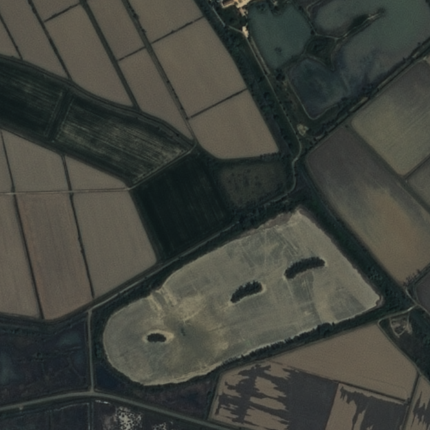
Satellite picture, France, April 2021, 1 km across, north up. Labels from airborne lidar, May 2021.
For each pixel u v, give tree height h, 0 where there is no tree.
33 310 0
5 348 0
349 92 0
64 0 0
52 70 0
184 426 0
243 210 9
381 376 0
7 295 0
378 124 0
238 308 0
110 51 0
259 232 0
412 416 0
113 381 0
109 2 0
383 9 0
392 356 0
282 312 0
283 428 0
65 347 0
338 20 0
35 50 0
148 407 0
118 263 0
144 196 0
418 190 0
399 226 0
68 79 0
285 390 0
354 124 0
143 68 0
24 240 0
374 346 0
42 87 0
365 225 0
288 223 0
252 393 0
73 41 0
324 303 0
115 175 0
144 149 0
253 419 0
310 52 0
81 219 0
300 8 10
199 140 0
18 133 0
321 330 14
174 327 0
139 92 0
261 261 0
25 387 0
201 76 0
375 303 0
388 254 0
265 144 0
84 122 0
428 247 0
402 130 0
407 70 0
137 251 0
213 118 0
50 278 0
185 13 0
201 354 0
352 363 0
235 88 0
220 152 0
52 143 0
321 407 0
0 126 0
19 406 0
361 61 0
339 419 0
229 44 12
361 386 0
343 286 0
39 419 0
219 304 0
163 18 0
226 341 0
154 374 0
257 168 0
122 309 0
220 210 0
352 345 0
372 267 7
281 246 0
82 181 0
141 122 0
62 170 0
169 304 0
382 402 0
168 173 0
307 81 0
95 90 0
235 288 0
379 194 0
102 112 0
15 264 0
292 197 6
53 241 0
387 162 0
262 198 6
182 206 0
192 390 0
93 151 0
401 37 0
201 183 0
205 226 0
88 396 0
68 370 0
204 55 0
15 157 0
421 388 0
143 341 0
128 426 0
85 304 0
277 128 6
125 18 0
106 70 0
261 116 0
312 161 0
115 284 0
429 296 0
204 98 0
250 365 0
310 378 0
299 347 0
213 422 0
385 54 0
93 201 0
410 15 0
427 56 0
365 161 0
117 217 0
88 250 0
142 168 0
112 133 0
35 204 0
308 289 0
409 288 18
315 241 0
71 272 0
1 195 0
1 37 0
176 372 0
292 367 0
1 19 0
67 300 0
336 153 0
